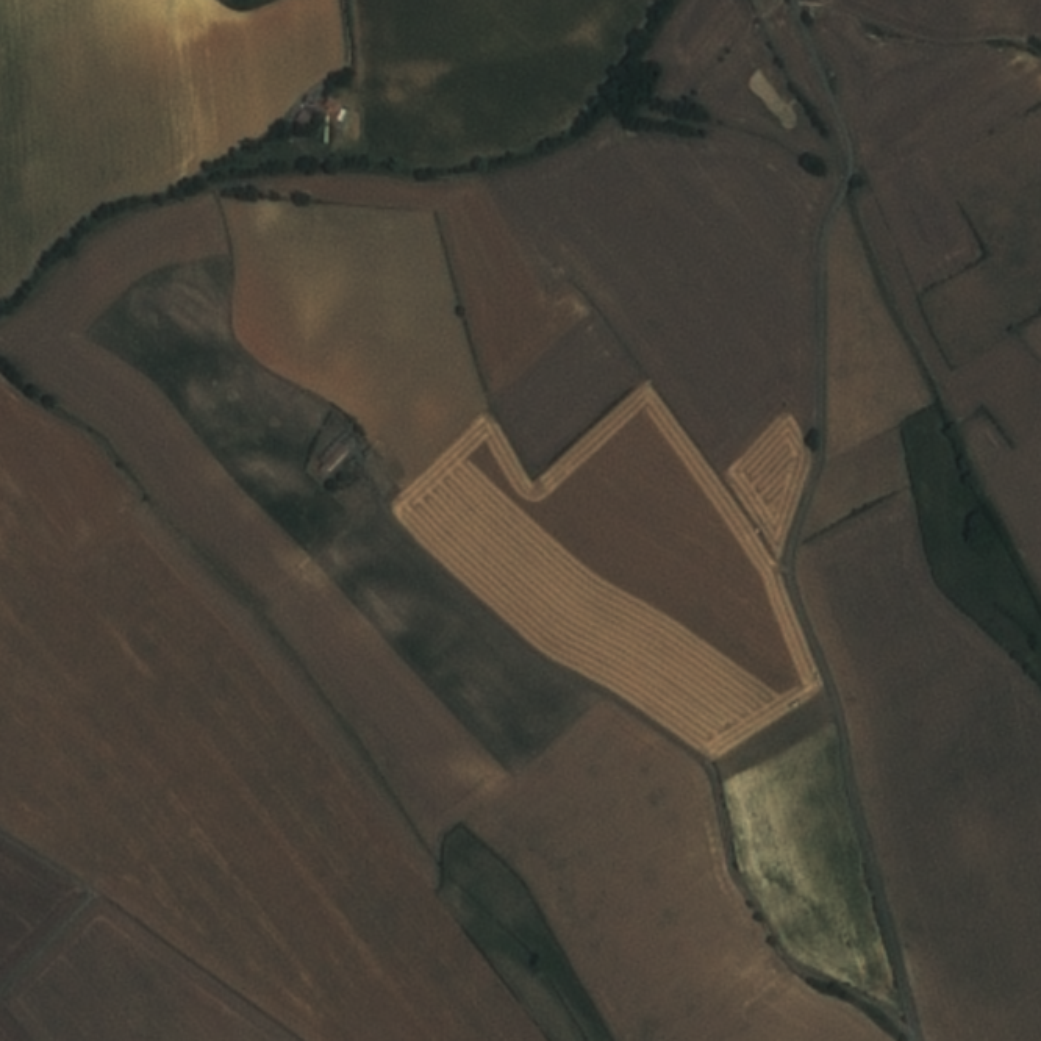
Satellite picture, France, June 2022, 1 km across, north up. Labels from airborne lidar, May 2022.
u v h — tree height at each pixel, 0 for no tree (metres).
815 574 0
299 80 0
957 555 0
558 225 0
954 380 0
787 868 0
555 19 0
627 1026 0
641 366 0
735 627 0
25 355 0
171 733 0
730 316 0
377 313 0
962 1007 0
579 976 0
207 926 0
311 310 0
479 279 0
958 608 7
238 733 0
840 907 0
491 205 0
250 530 0
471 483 0
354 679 0
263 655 0
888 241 0
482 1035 0
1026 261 0
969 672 0
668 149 0
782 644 0
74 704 0
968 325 0
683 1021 0
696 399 0
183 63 0
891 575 0
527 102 0
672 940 0
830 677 0
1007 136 0
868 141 0
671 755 0
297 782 0
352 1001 0
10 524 0
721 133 0
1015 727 0
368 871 0
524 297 0
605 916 0
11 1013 0
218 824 0
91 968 0
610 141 0
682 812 0
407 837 0
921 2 0
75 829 0
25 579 0
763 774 0
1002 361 0
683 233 0
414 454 0
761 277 0
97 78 0
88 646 0
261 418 0
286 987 0
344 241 0
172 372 0
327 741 0
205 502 0
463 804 0
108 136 0
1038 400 0
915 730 0
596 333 0
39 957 0
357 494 0
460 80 0
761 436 0
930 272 0
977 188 0
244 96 0
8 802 0
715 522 0
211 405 0
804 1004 0
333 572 0
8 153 0
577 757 0
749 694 0
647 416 0
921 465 0
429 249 0
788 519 0
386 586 0
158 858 0
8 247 0
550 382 0
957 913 0
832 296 0
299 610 0
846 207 0
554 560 0
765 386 0
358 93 0
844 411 0
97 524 0
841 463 0
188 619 0
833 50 0
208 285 0
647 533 0
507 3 0
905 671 0
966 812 0
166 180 0
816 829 0
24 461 0
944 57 0
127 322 0
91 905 0
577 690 0
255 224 0
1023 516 0
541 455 0
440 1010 0
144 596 0
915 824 0
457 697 0
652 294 0
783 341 0
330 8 0
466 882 0
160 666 0
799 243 0
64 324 0
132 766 0
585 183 0
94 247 0
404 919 0
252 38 0
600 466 0
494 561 0
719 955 0
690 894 0
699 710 0
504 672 0
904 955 0
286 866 0
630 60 15
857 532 0
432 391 0
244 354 0
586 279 0
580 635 0
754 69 0
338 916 0
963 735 0
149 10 0
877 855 0
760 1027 0
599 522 0
